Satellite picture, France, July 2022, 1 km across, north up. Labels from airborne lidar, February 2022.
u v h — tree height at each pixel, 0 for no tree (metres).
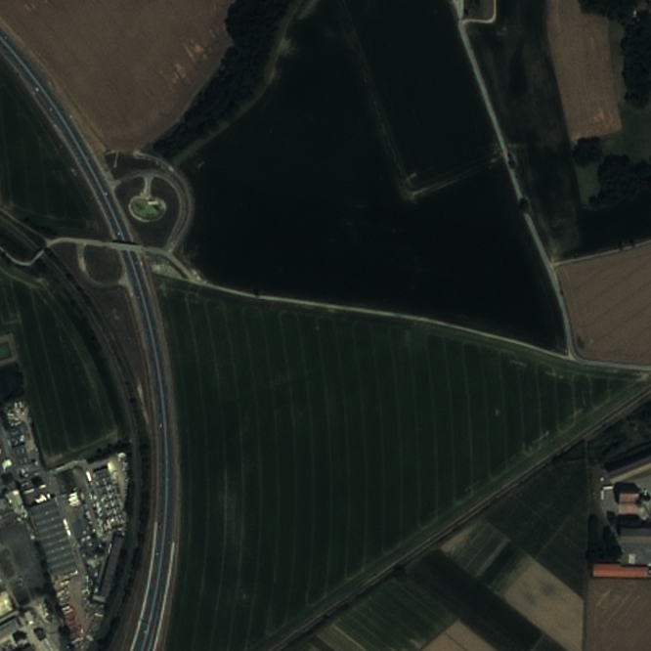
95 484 0
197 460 0
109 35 0
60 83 0
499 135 0
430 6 0
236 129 0
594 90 0
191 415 0
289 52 0
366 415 0
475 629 0
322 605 0
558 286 0
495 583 0
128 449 8
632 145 0
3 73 0
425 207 0
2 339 0
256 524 0
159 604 0
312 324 0
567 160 0
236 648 0
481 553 0
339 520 0
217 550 0
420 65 0
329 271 0
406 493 0
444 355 0
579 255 0
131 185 0
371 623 0
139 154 0
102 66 0
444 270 0
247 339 0
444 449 0
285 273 0
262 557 0
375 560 0
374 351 0
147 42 0
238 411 0
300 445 0
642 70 20
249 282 0
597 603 0
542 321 0
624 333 0
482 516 0
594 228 0
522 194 0
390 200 0
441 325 0
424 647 0
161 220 0
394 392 0
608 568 0
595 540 10
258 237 0
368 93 0
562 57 0
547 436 0
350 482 0
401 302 0
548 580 0
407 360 0
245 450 0
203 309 0
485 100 0
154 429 0
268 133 0
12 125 0
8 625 0
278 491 0
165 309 0
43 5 0
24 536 0
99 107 0
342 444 0
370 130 0
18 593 0
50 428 0
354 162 0
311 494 0
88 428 0
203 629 0
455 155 0
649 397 0
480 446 0
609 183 19
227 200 0
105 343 0
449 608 0
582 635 0
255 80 23
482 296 0
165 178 0
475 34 0
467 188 0
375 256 0
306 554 0
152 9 0
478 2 10
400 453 0
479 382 0
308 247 0
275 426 0
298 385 0
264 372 0
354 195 0
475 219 0
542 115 0
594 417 0
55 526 0
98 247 0
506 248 0
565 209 0
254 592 0
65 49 0
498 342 0
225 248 0
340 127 0
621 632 0
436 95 0
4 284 0
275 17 18
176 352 0
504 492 0
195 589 0
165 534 0
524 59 0
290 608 0
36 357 0
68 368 0
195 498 0
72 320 0
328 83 0
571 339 0
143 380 0
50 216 0
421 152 0
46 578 9
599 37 0
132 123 0
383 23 0
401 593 0
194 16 0
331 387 0
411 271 0
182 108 0
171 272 0
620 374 0
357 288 0
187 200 0
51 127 0
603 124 0
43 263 12
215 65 0
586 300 0
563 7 0
